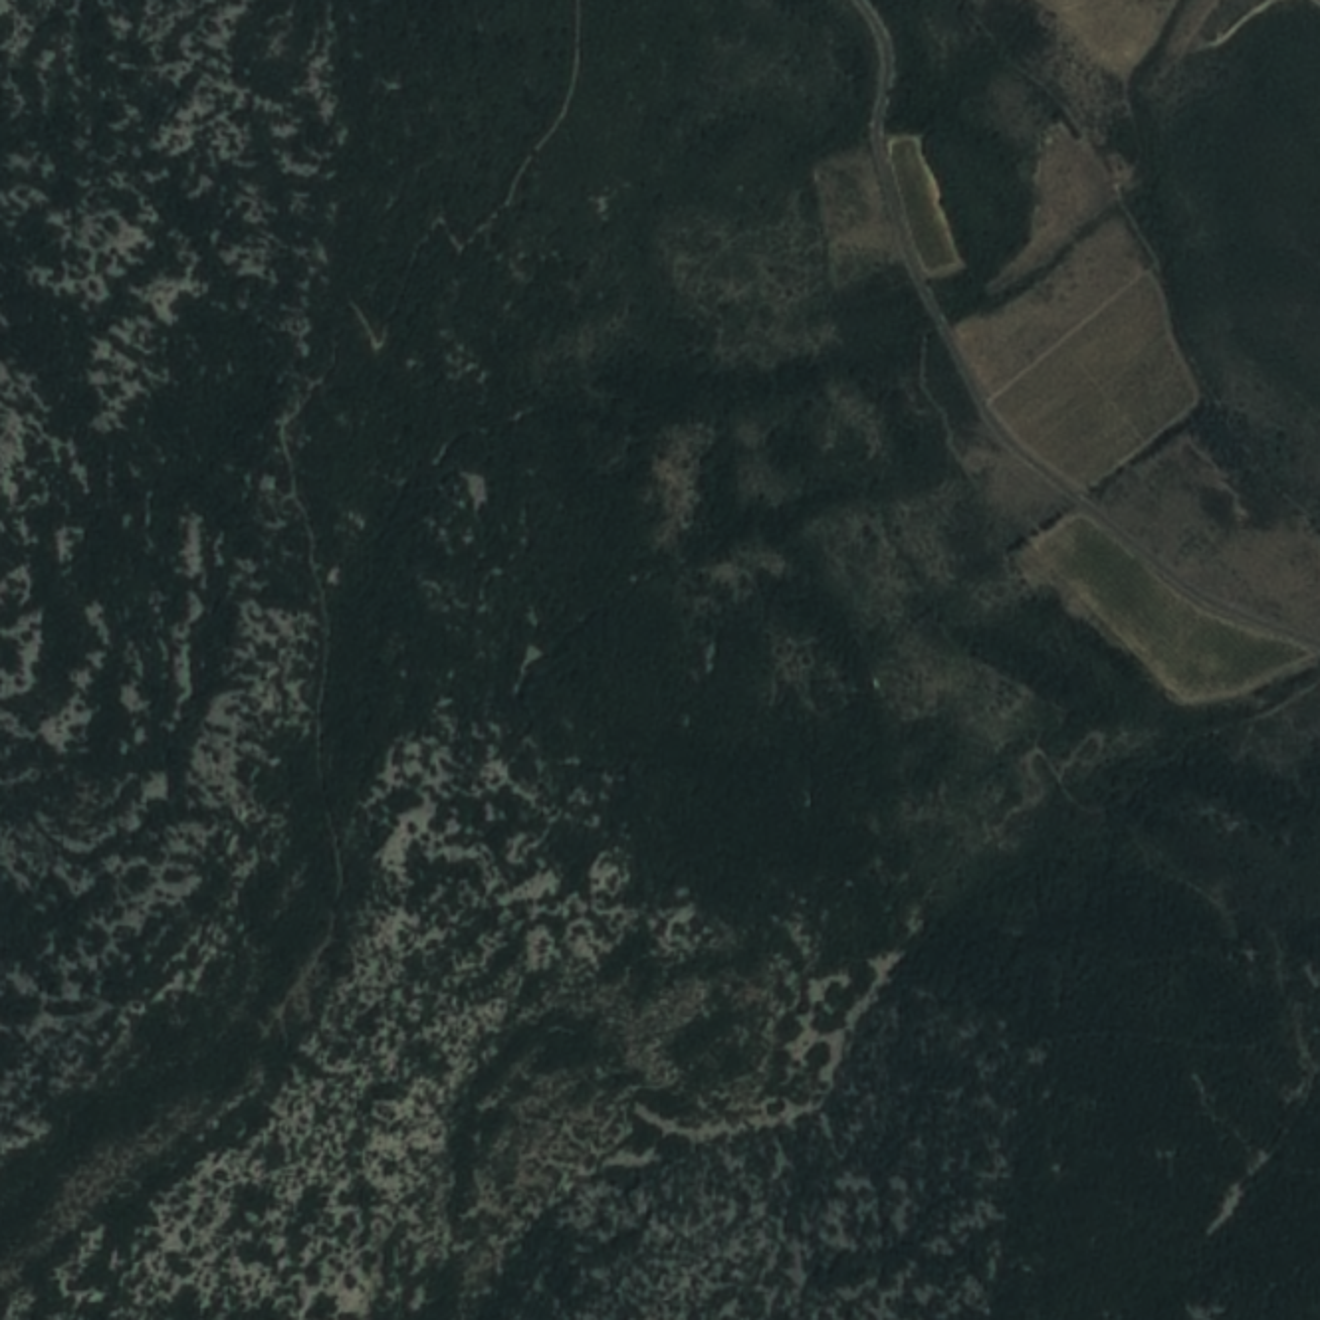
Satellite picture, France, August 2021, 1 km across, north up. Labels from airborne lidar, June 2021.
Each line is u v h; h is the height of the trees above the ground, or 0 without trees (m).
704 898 7
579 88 0
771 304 0
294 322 0
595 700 9
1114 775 5
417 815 0
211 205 8
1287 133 0
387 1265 7
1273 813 8
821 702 5
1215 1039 7
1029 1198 5
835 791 6
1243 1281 6
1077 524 0
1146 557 0
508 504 9
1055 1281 6
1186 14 0
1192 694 0
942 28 0
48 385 6
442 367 7
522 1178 0
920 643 0
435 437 10
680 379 8
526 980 7
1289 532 0
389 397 9
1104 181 0
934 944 7
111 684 6
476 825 6
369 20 9
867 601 0
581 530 9
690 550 5
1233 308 0
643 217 0
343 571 6
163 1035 7
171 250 6
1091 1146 5
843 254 0
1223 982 6
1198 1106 6
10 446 0
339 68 6
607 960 6
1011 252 6
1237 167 0
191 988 8
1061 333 0
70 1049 0
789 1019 7
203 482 8
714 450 7
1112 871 7
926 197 0
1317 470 0
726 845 9
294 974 6
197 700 7
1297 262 0
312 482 5
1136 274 0
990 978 6
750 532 6
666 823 9
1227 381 0
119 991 5
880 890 6
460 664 7
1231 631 0
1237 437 7
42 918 6
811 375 7
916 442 7
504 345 6
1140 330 0
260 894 5
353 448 8
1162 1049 5
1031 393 0
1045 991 6
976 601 0
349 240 8
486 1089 7
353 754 6
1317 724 0
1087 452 0
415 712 6
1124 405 0
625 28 0
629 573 7
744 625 6
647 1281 0
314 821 6
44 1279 5
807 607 6
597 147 0
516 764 8
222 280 6
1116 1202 7
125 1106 6
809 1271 6
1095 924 6
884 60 0
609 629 8
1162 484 0
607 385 6
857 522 0
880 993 7
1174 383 0
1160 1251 7
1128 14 0
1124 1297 8
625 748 9
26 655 0
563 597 6
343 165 8
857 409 0
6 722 0
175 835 0
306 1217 5
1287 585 0
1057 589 0
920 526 0
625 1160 0
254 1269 0
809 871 7
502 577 6
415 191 7
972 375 0
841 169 0
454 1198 6
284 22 0
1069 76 0
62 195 7
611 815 10
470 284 6
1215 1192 6
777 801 8
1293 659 0
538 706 10
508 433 9
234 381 7
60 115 5
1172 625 0
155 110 6
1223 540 0
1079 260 0
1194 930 6
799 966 7
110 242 0
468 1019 0
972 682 0
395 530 11
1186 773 8
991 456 0
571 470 9
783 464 7
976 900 7
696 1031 6
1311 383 0
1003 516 0
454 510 6
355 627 6
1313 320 0
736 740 7
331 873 6
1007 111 0
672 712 8
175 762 7
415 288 6
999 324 0
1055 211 0
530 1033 7
